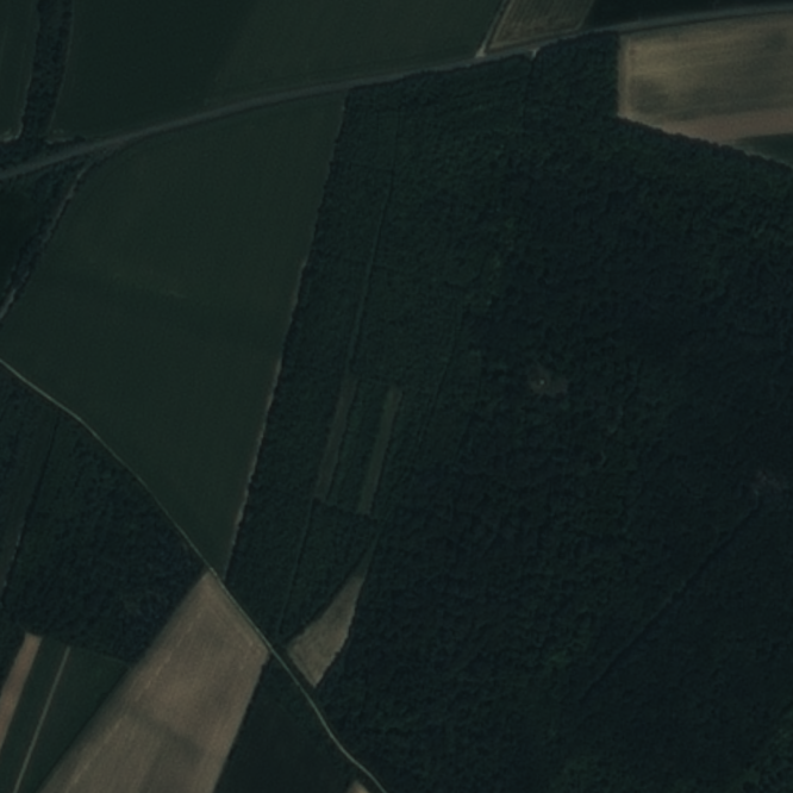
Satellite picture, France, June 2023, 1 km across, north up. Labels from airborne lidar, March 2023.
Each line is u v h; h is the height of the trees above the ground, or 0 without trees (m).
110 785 0
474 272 6
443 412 8
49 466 6
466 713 19
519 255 7
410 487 10
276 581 5
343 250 6
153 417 0
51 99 9
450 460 6
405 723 16
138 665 0
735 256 17
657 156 19
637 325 25
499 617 22
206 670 0
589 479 6
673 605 11
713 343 23
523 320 21
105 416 0
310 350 7
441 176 8
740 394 27
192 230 0
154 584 15
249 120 0
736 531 16
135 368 0
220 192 0
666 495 19
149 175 0
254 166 0
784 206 12
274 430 6
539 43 0
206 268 0
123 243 0
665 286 24
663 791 16
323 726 8
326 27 0
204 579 0
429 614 20
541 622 20
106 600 20
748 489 22
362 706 15
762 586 20
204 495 0
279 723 0
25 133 6
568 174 13
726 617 14
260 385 0
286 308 0
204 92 0
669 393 12
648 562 14
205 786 0
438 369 8
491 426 16
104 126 0
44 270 0
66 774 0
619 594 11
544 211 20
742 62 0
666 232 15
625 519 14
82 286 0
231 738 0
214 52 0
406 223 8
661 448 18
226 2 0
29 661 0
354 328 8
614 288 19
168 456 0
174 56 0
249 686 0
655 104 0
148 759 0
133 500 16
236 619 0
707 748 19
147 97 0
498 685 19
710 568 21
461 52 0
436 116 10
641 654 21
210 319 0
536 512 8
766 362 23
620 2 0
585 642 11
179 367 0
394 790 13
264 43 0
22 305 0
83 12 0
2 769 0
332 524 7
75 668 0
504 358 18
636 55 0
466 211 15
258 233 0
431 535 23
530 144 9
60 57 9
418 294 7
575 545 13
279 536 9
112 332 0
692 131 0
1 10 0
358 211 7
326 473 0
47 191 14
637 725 17
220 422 0
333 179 7
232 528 0
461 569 17
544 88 14
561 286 20
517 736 11
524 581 18
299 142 0
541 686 6
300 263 0
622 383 16
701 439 20
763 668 15
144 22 0
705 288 8
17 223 0
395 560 14
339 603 0
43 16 7
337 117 0
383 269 8
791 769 6
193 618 0
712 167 16
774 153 0
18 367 0
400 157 7
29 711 0
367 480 8
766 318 19
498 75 8
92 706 0
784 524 20
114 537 14
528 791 15
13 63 0
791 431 17
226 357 0
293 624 11
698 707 17
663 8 0
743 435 19
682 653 18
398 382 9
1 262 0
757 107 0
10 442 10
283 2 0
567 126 20
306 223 0
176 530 6
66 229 0
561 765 11
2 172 0
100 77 0
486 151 9
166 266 0
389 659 23
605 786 15
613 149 20
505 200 18
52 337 0
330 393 8
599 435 18
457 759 17
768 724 15
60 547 8
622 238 13
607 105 18
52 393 0
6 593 11
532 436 19
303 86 0
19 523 0
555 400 10
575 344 10
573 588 19
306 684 6
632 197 22
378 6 0
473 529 16
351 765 7
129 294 0
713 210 16
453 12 0
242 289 0
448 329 11
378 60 0
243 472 0
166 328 0
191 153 0
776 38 0
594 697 19
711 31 0
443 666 20
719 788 6
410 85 10
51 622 16
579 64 19
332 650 0
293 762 0
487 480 14
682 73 0
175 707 0
